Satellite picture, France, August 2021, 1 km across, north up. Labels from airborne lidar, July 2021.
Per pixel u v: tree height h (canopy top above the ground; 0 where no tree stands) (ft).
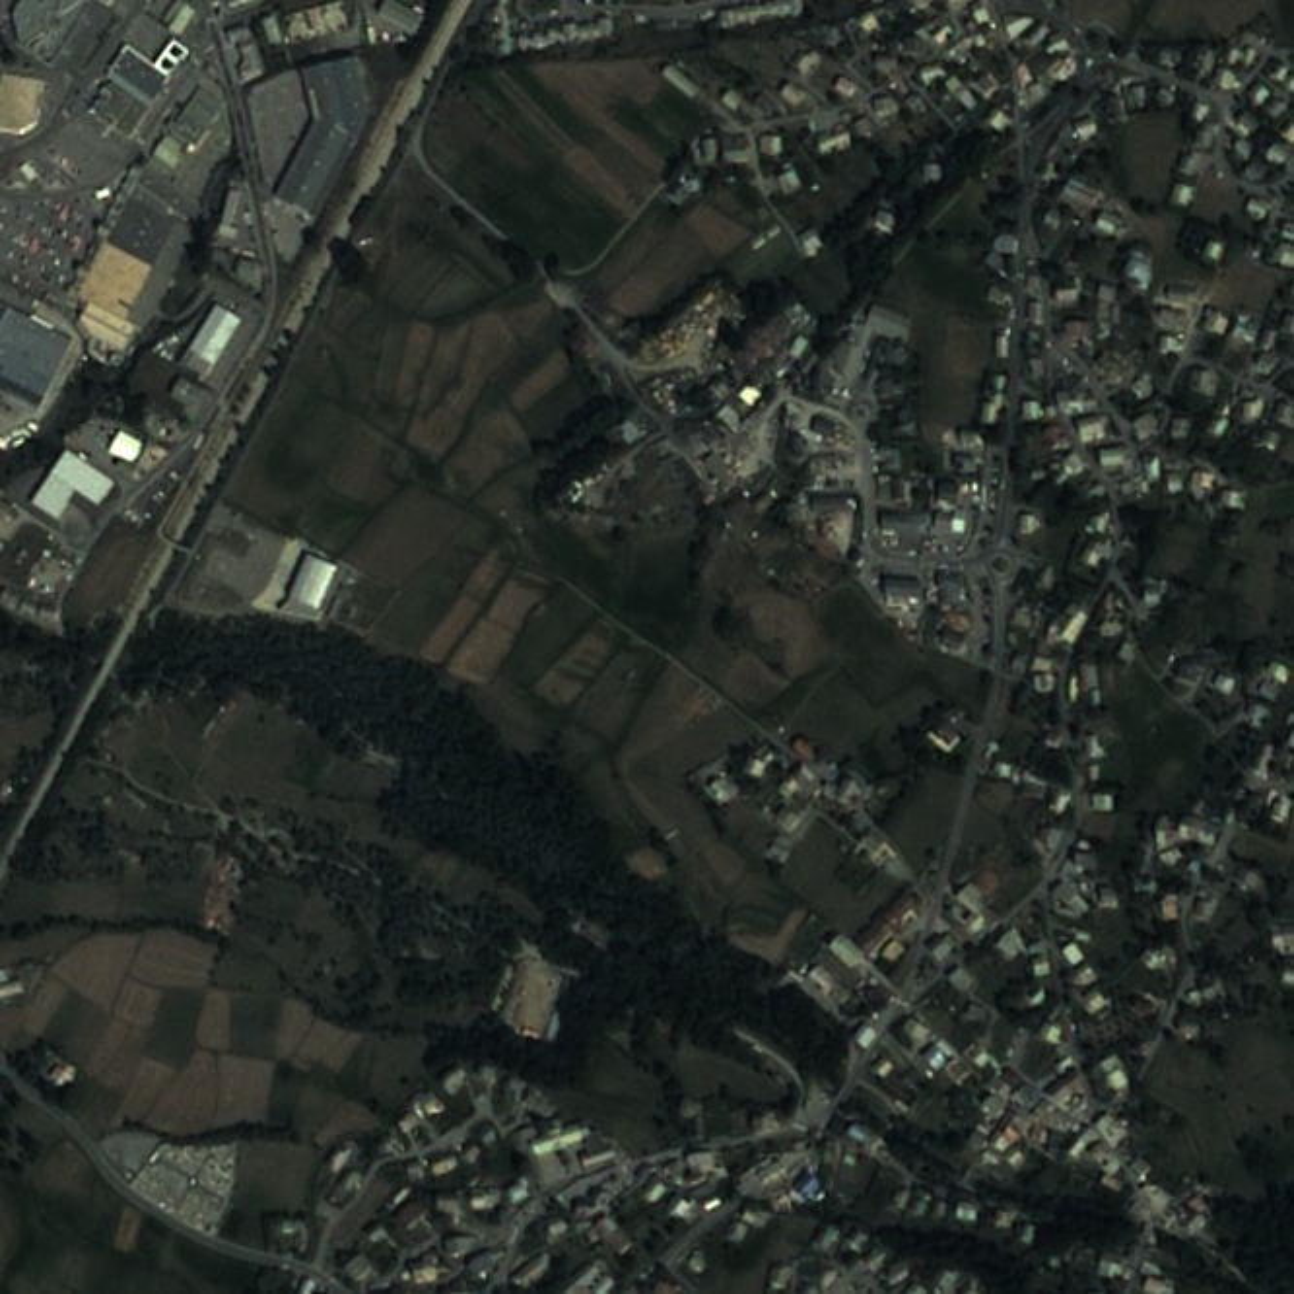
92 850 35
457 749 43
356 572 0
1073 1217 65
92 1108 0
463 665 0
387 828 19
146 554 0
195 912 0
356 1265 0
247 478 0
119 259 0
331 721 31
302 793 0
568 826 49
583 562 0
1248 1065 0
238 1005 0
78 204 0
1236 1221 59
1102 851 37
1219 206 0
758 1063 19
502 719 0
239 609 0
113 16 0
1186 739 0
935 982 0
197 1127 0
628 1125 0
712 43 37
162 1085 0
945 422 0
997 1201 35
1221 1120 0
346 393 0
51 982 0
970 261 0
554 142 0
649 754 0
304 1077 0
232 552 0
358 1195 0
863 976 0
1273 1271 76
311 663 24
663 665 0
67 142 0
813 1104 0
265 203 0
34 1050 20
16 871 53
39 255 0
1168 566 0
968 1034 0
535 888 44
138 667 26
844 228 39
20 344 0
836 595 0
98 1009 0
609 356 0
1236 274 0
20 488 0
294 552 0
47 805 30
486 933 33
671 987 85
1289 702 0
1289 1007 28
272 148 0
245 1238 0
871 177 0
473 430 0
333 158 0
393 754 20
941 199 49
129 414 25
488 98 0
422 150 0
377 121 0
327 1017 22
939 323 0
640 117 0
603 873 31
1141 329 0
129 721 0
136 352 0
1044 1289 0
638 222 0
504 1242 0
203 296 0
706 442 0
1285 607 0
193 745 0
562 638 0
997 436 43
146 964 0
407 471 0
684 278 0
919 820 0
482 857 28
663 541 0
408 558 0
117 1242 0
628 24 0
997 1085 0
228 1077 0
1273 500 0
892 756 0
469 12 0
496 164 0
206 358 0
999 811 0
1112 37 0
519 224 0
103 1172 0
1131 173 0
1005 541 0
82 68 0
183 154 0
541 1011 0
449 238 0
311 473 0
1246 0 0
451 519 0
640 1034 42
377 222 0
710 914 0
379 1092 0
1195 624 0
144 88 0
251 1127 20
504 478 0
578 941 54
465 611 0
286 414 0
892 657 0
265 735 0
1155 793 0
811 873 0
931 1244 31
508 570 0
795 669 0
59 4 0
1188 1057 0
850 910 0
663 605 0
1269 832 38
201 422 0
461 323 0
